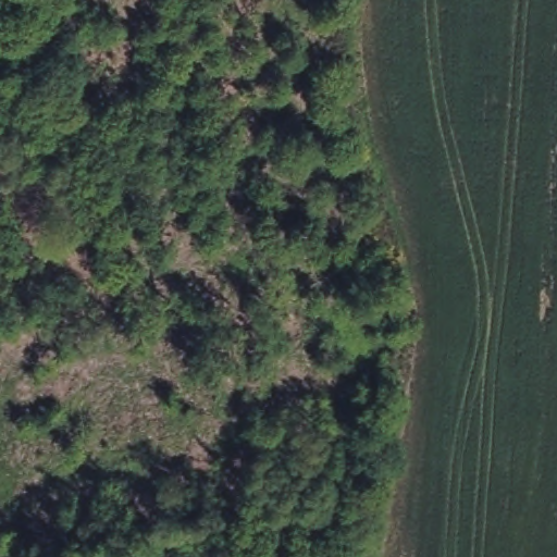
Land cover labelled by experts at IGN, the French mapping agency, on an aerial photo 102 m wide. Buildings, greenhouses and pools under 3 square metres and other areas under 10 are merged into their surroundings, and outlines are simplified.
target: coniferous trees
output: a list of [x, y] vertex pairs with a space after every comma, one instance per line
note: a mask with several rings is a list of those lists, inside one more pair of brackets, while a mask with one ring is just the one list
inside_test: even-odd
[[37, 274], [24, 274], [15, 279], [13, 294], [20, 302], [20, 309], [30, 311], [33, 305], [41, 300], [46, 287], [52, 285], [59, 287], [63, 294], [74, 294], [81, 287], [81, 279], [67, 265], [67, 261], [78, 252], [78, 246], [89, 242], [89, 231], [74, 233], [67, 222], [52, 220], [50, 207], [54, 202], [37, 183], [24, 187], [22, 191], [15, 191], [13, 213], [24, 226], [22, 237], [33, 246], [35, 257], [46, 259], [48, 263]]
[[122, 28], [126, 17], [120, 17], [115, 9], [100, 0], [83, 0], [74, 15], [57, 24], [54, 35], [48, 39], [52, 46], [61, 50], [65, 44], [74, 41], [83, 26], [107, 24], [109, 28]]
[[67, 507], [59, 511], [59, 516], [48, 518], [39, 524], [33, 524], [24, 518], [15, 518], [13, 513], [7, 513], [0, 507], [0, 557], [128, 557], [150, 535], [141, 533], [133, 524], [135, 516], [120, 483], [109, 483], [98, 492], [94, 518], [85, 527], [76, 520], [78, 496], [70, 496]]
[[292, 30], [289, 20], [265, 13], [265, 44], [274, 52], [274, 59], [265, 61], [255, 76], [235, 78], [237, 91], [228, 94], [231, 100], [242, 109], [281, 109], [292, 102], [294, 94], [302, 96], [311, 91], [313, 83], [320, 81], [333, 65], [344, 61], [344, 54], [337, 48], [329, 50], [320, 41], [309, 41], [307, 37], [296, 35]]
[[224, 476], [222, 470], [196, 470], [189, 481], [161, 481], [157, 487], [159, 520], [154, 529], [163, 527], [172, 531], [189, 531], [205, 516], [239, 524], [244, 509], [244, 490], [252, 483], [257, 466], [248, 461], [239, 476]]

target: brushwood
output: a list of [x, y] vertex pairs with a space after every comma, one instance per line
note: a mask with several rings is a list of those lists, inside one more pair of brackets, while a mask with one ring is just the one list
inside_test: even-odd
[[344, 372], [350, 372], [357, 359], [342, 350], [335, 329], [322, 339], [322, 348], [326, 350], [320, 368], [329, 370], [329, 374], [335, 379]]
[[89, 422], [78, 429], [78, 437], [70, 448], [61, 448], [57, 442], [52, 442], [50, 435], [46, 435], [37, 442], [17, 442], [15, 453], [4, 453], [4, 461], [13, 468], [15, 476], [24, 485], [35, 485], [50, 474], [67, 476], [85, 463], [85, 459], [94, 461], [94, 457], [100, 453], [100, 426], [94, 426]]
[[355, 59], [361, 65], [363, 46], [374, 41], [372, 0], [268, 0], [265, 13], [289, 20], [292, 30], [296, 35], [307, 37], [309, 41], [320, 41], [329, 50], [337, 48], [344, 54], [344, 61]]
[[165, 331], [172, 324], [181, 324], [183, 320], [187, 324], [200, 326], [196, 339], [196, 357], [191, 357], [187, 368], [183, 366], [183, 374], [191, 379], [191, 383], [202, 383], [207, 387], [213, 381], [211, 372], [224, 370], [228, 366], [257, 366], [263, 357], [289, 357], [289, 333], [272, 318], [276, 313], [276, 307], [263, 294], [257, 302], [248, 307], [248, 311], [239, 309], [235, 318], [231, 318], [228, 311], [215, 305], [209, 313], [196, 313], [189, 302], [181, 300], [181, 296], [168, 289], [168, 285], [163, 283], [163, 274], [146, 276], [146, 281], [139, 287], [122, 287], [117, 294], [124, 298], [124, 313], [141, 313], [141, 320], [126, 335], [126, 342], [131, 344], [128, 355], [144, 359], [150, 357], [159, 348]]
[[263, 157], [246, 157], [239, 161], [235, 185], [226, 191], [226, 205], [231, 207], [233, 215], [233, 226], [237, 231], [248, 231], [252, 248], [261, 250], [274, 263], [281, 263], [285, 259], [287, 248], [294, 244], [305, 235], [305, 226], [309, 222], [307, 200], [287, 194], [283, 198], [285, 209], [257, 205], [257, 198], [261, 196], [263, 185], [270, 176]]
[[163, 405], [181, 409], [181, 413], [202, 416], [200, 407], [183, 400], [176, 392], [172, 392]]
[[296, 135], [287, 144], [296, 150], [307, 150], [315, 146], [320, 150], [333, 148], [333, 137], [313, 122], [305, 131], [305, 135]]

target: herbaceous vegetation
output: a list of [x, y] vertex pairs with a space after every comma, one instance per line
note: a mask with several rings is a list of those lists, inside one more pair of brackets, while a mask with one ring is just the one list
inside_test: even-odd
[[102, 117], [109, 107], [148, 96], [157, 85], [150, 76], [150, 65], [137, 61], [137, 41], [144, 33], [154, 30], [159, 26], [159, 9], [163, 0], [100, 0], [115, 9], [120, 17], [126, 17], [122, 28], [126, 30], [126, 35], [122, 46], [104, 52], [89, 52], [87, 65], [91, 81], [83, 89], [83, 102], [89, 115]]
[[78, 252], [67, 261], [67, 265], [81, 279], [89, 279], [91, 272], [81, 263]]
[[[159, 520], [157, 487], [161, 481], [189, 481], [196, 470], [222, 470], [224, 476], [239, 476], [248, 461], [257, 466], [261, 461], [261, 448], [250, 442], [252, 413], [261, 413], [265, 420], [276, 420], [281, 409], [296, 407], [305, 398], [329, 398], [337, 426], [352, 429], [357, 418], [366, 413], [361, 405], [355, 400], [357, 387], [366, 385], [368, 389], [381, 389], [381, 366], [392, 366], [396, 372], [396, 381], [400, 383], [394, 392], [394, 400], [409, 398], [418, 363], [416, 342], [403, 348], [376, 346], [368, 355], [357, 359], [350, 372], [344, 372], [335, 379], [329, 374], [329, 370], [320, 368], [326, 350], [322, 348], [322, 339], [335, 329], [333, 324], [348, 307], [339, 298], [300, 298], [296, 294], [294, 274], [298, 268], [307, 274], [320, 270], [307, 259], [305, 250], [300, 250], [294, 244], [287, 248], [285, 259], [281, 263], [274, 263], [261, 250], [252, 248], [248, 231], [237, 231], [233, 226], [233, 215], [220, 224], [218, 235], [205, 248], [194, 248], [191, 237], [185, 231], [178, 231], [176, 226], [165, 226], [163, 242], [168, 244], [168, 252], [176, 250], [178, 259], [172, 272], [163, 274], [163, 283], [168, 285], [168, 289], [181, 296], [181, 300], [189, 302], [196, 313], [209, 313], [215, 305], [228, 311], [231, 318], [235, 318], [239, 309], [248, 311], [248, 307], [257, 302], [263, 294], [276, 307], [276, 313], [272, 318], [289, 333], [289, 357], [263, 357], [257, 366], [228, 366], [224, 370], [211, 372], [213, 381], [207, 387], [202, 383], [191, 383], [191, 379], [183, 374], [183, 366], [187, 368], [191, 357], [196, 357], [196, 339], [200, 326], [187, 324], [183, 320], [181, 324], [172, 324], [165, 331], [159, 348], [150, 357], [144, 359], [128, 355], [131, 344], [126, 342], [126, 335], [141, 320], [141, 313], [124, 313], [124, 298], [117, 294], [96, 296], [96, 302], [100, 305], [100, 322], [96, 329], [100, 331], [96, 335], [96, 344], [91, 344], [85, 350], [87, 359], [61, 361], [57, 357], [61, 350], [59, 337], [52, 337], [50, 342], [39, 342], [35, 335], [30, 335], [30, 339], [24, 339], [17, 346], [7, 342], [0, 350], [0, 507], [7, 513], [13, 513], [15, 518], [24, 518], [33, 524], [39, 524], [48, 518], [59, 516], [59, 511], [67, 507], [70, 496], [78, 496], [76, 520], [85, 527], [94, 518], [98, 492], [109, 483], [120, 483], [135, 516], [133, 524], [141, 533], [150, 535], [154, 529]], [[183, 400], [200, 407], [202, 416], [181, 413], [181, 409], [163, 405], [172, 392], [176, 392]], [[37, 442], [46, 435], [50, 435], [52, 442], [57, 442], [61, 448], [70, 448], [78, 437], [78, 429], [89, 422], [94, 426], [100, 426], [100, 453], [94, 457], [94, 461], [85, 459], [85, 463], [67, 476], [50, 474], [35, 485], [24, 485], [15, 476], [13, 468], [4, 461], [4, 453], [15, 453], [17, 442]]]
[[302, 96], [294, 94], [292, 102], [281, 109], [242, 109], [239, 113], [244, 115], [246, 128], [250, 131], [252, 139], [261, 139], [263, 133], [270, 133], [272, 139], [287, 144], [296, 135], [305, 135], [305, 131], [313, 122], [302, 113]]
[[246, 37], [255, 37], [259, 48], [265, 44], [265, 13], [268, 0], [235, 0], [235, 17], [244, 15], [250, 22], [246, 26]]

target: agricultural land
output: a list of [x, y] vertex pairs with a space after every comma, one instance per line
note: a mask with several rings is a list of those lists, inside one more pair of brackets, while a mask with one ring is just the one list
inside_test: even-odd
[[398, 213], [392, 218], [383, 218], [381, 224], [387, 224], [392, 228], [396, 246], [405, 250], [407, 263], [413, 270], [413, 292], [420, 289], [422, 294], [420, 307], [426, 313], [420, 322], [424, 322], [424, 333], [422, 339], [416, 342], [418, 363], [409, 398], [409, 416], [400, 431], [400, 442], [407, 450], [407, 470], [394, 487], [383, 557], [557, 557], [557, 0], [372, 0], [374, 41], [363, 46], [361, 65], [368, 72], [368, 85], [379, 83], [383, 87], [383, 96], [376, 109], [381, 111], [381, 117], [372, 124], [372, 139], [374, 150], [383, 161], [392, 189], [400, 191], [403, 198], [396, 205]]

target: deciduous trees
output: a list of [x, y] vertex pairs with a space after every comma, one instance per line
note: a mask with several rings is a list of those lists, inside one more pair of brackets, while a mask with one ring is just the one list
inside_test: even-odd
[[366, 413], [357, 418], [352, 429], [337, 426], [329, 398], [305, 398], [296, 407], [281, 409], [276, 420], [265, 420], [261, 413], [252, 413], [250, 442], [261, 448], [261, 461], [257, 466], [252, 483], [244, 490], [244, 509], [239, 524], [205, 516], [189, 531], [172, 531], [163, 527], [154, 529], [150, 535], [128, 557], [383, 557], [394, 487], [407, 470], [407, 450], [400, 442], [400, 431], [409, 416], [409, 398], [394, 400], [394, 392], [400, 383], [396, 381], [396, 372], [392, 366], [381, 366], [381, 389], [368, 389], [366, 385], [357, 387], [355, 400], [361, 405]]
[[[100, 305], [96, 302], [96, 296], [117, 294], [122, 287], [139, 287], [146, 281], [146, 276], [163, 274], [172, 272], [178, 259], [176, 250], [168, 252], [168, 244], [163, 242], [165, 226], [176, 226], [178, 231], [185, 231], [191, 237], [194, 248], [205, 248], [218, 235], [220, 224], [233, 215], [231, 207], [226, 205], [226, 191], [235, 185], [239, 161], [246, 157], [263, 157], [270, 176], [263, 185], [261, 196], [257, 198], [257, 205], [285, 209], [283, 198], [287, 194], [307, 200], [309, 222], [305, 226], [305, 235], [294, 244], [300, 250], [305, 250], [307, 259], [320, 270], [307, 274], [298, 268], [294, 274], [296, 294], [300, 298], [339, 298], [348, 307], [333, 324], [335, 329], [342, 350], [357, 359], [368, 355], [376, 346], [403, 348], [416, 342], [422, 339], [424, 333], [424, 322], [420, 322], [426, 313], [420, 307], [422, 294], [420, 289], [413, 292], [413, 270], [407, 263], [405, 250], [396, 246], [392, 228], [387, 224], [381, 224], [383, 218], [392, 218], [398, 213], [396, 205], [403, 198], [400, 191], [392, 189], [383, 161], [374, 150], [372, 139], [372, 124], [381, 117], [381, 111], [376, 109], [383, 96], [383, 87], [379, 83], [368, 85], [368, 72], [361, 65], [355, 59], [344, 61], [333, 65], [320, 81], [313, 83], [311, 91], [302, 96], [302, 113], [313, 122], [333, 137], [333, 148], [320, 150], [315, 146], [307, 150], [296, 150], [287, 144], [272, 139], [270, 133], [263, 133], [261, 139], [252, 139], [250, 131], [246, 128], [244, 115], [239, 113], [242, 109], [231, 100], [228, 94], [237, 91], [235, 78], [255, 76], [265, 61], [274, 59], [274, 52], [265, 44], [259, 48], [255, 37], [246, 37], [246, 26], [250, 22], [244, 15], [235, 17], [235, 0], [163, 0], [159, 9], [159, 26], [154, 30], [144, 33], [137, 41], [137, 61], [150, 65], [150, 76], [157, 85], [148, 96], [109, 107], [102, 117], [89, 115], [83, 102], [83, 89], [91, 81], [87, 65], [89, 52], [104, 52], [122, 46], [126, 35], [126, 30], [122, 28], [109, 28], [107, 24], [83, 26], [74, 41], [65, 44], [61, 50], [52, 46], [48, 39], [54, 35], [57, 24], [74, 15], [83, 0], [0, 0], [0, 350], [7, 342], [17, 346], [24, 339], [30, 339], [30, 335], [35, 335], [39, 342], [50, 342], [52, 337], [59, 337], [61, 350], [57, 357], [61, 361], [87, 359], [85, 350], [91, 344], [96, 344], [96, 335], [100, 331], [96, 329], [100, 322]], [[35, 257], [33, 246], [22, 237], [24, 226], [13, 213], [15, 191], [22, 191], [24, 187], [37, 183], [54, 202], [50, 207], [52, 220], [67, 222], [74, 233], [89, 231], [89, 242], [78, 246], [78, 252], [81, 263], [91, 272], [89, 279], [81, 279], [81, 287], [74, 294], [63, 294], [59, 287], [52, 285], [46, 287], [41, 300], [33, 305], [30, 311], [20, 309], [20, 302], [13, 294], [15, 279], [24, 274], [37, 274], [48, 263], [46, 259]]]

